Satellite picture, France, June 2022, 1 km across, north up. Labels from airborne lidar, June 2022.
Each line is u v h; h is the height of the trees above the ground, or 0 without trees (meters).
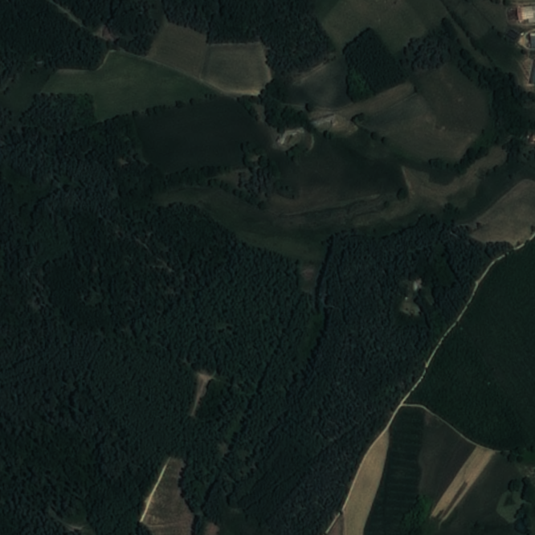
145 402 22
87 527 0
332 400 23
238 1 27
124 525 18
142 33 25
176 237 9
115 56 0
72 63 29
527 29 0
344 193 0
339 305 25
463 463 0
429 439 0
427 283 21
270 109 16
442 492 0
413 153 0
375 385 17
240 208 0
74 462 7
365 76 25
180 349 33
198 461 30
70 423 33
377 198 0
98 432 13
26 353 13
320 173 0
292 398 28
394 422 0
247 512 14
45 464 14
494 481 0
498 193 0
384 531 0
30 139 21
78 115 14
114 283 19
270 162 12
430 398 7
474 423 7
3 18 21
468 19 0
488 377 6
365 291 20
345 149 0
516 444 9
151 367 25
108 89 0
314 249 0
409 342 17
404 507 0
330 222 0
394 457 0
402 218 0
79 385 25
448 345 7
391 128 0
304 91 0
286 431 29
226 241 9
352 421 18
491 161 0
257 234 0
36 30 25
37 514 27
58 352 22
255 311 29
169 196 0
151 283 13
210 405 13
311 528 19
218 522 25
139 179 17
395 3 0
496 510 0
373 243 27
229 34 14
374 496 0
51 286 12
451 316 24
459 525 0
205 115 0
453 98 0
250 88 0
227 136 0
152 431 24
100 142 14
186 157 0
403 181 0
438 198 0
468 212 0
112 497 23
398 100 0
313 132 14
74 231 19
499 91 12
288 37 15
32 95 0
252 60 0
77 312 19
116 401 29
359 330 18
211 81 0
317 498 16
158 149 0
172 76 0
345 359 19
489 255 21
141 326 31
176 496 0
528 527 21
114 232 12
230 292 36
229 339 31
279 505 8
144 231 7
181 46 0
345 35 0
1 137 15
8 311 9
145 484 21
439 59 18
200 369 28
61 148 22
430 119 0
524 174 0
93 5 27
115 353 29
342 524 0
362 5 0
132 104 0
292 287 31
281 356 26
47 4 23
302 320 29
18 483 29
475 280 9
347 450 15
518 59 0
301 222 0
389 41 0
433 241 22
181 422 24
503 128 8
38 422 10
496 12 0
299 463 10
